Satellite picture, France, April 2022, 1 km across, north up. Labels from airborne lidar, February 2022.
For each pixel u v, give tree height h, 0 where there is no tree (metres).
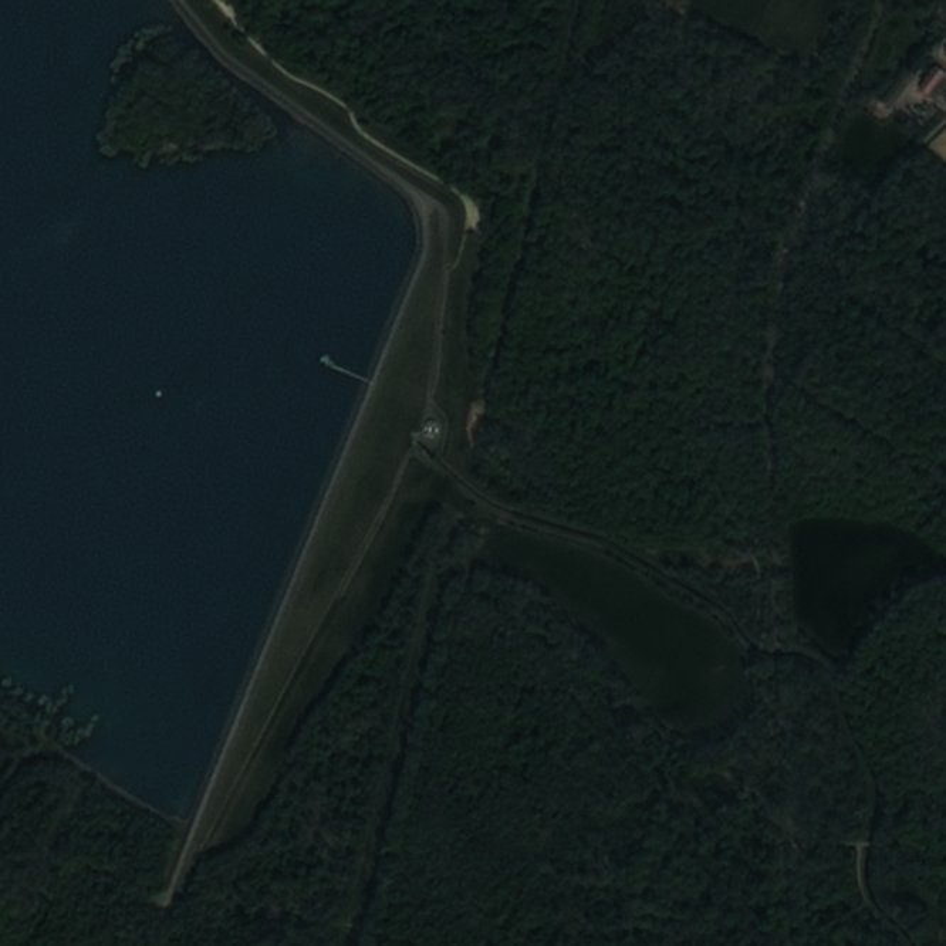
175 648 0
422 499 0
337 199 0
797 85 29
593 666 25
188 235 0
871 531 0
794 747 26
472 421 0
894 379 31
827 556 0
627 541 11
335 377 0
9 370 0
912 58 13
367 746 15
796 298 25
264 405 0
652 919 29
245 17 16
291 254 0
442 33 18
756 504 27
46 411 0
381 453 0
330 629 0
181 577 0
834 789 17
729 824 31
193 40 0
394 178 0
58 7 0
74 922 21
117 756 0
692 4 0
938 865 31
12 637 0
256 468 0
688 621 0
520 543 0
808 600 0
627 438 24
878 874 22
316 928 24
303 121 0
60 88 0
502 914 14
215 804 0
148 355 0
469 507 7
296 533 0
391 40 27
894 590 0
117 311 0
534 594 21
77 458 0
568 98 25
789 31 0
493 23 27
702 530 26
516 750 19
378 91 16
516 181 21
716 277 27
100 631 0
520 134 29
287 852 24
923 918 26
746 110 32
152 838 23
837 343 31
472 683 17
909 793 18
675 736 13
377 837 0
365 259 0
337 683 14
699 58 26
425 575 22
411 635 22
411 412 0
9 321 0
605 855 32
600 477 21
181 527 0
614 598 0
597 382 25
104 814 17
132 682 0
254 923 25
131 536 0
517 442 23
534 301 25
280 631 0
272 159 0
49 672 0
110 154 7
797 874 30
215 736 0
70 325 0
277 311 0
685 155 34
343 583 0
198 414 0
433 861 21
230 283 0
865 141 0
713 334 30
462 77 34
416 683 0
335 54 24
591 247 27
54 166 0
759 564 0
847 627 0
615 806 33
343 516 0
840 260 30
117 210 0
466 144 10
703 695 0
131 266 0
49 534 0
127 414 0
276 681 0
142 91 27
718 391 23
